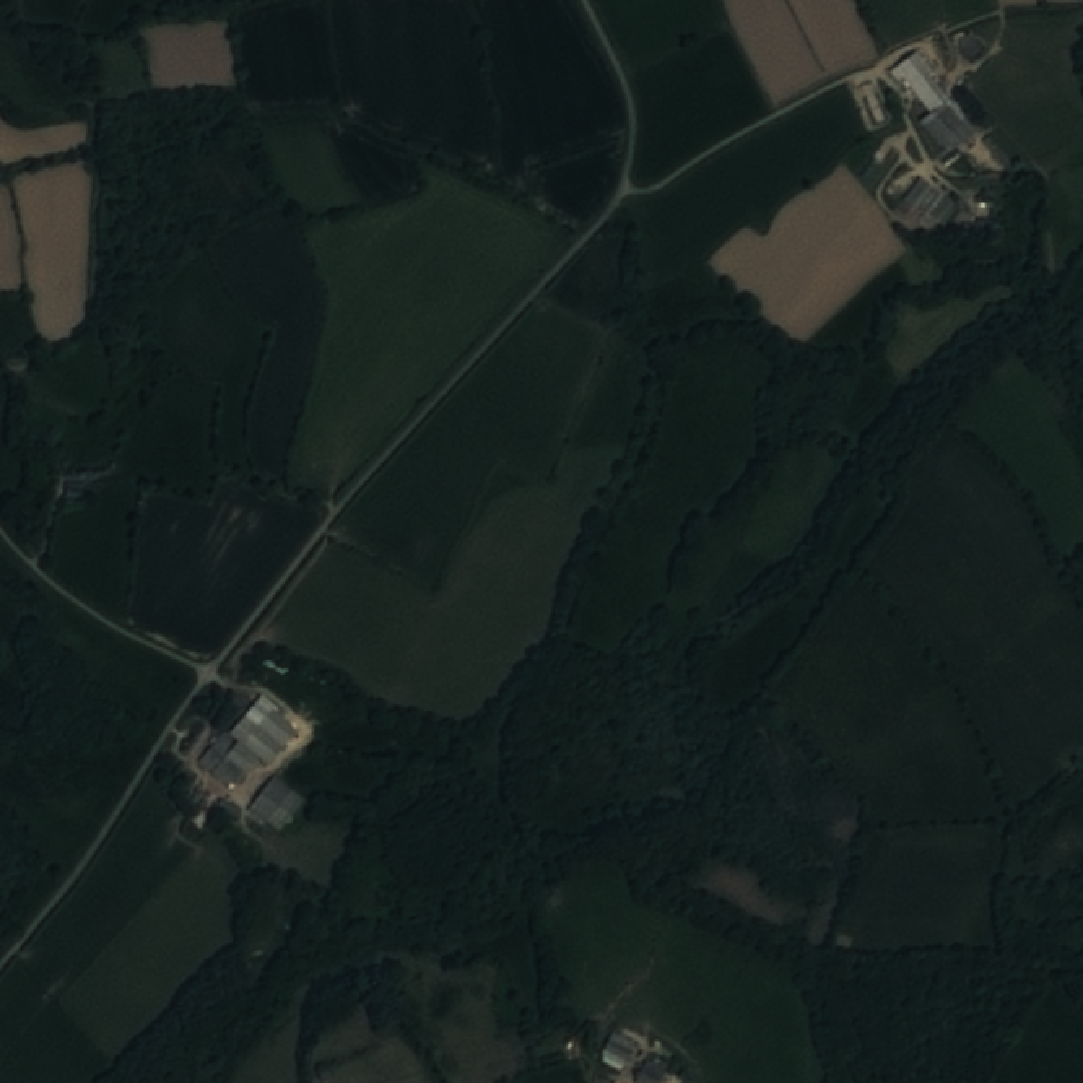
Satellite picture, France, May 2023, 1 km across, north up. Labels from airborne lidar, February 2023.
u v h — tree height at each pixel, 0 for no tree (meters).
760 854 9
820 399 8
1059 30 0
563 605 15
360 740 0
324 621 0
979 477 0
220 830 14
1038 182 18
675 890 17
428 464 0
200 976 9
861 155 0
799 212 0
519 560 0
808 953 11
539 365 0
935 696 0
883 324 21
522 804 26
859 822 6
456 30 0
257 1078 0
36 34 16
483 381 0
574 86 0
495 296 0
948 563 0
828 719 0
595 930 0
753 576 0
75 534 0
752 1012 0
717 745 11
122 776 0
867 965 13
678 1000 0
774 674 11
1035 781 0
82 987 0
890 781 0
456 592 0
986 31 0
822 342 0
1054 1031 0
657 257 0
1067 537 0
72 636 0
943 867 0
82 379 0
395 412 0
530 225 0
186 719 0
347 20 0
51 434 10
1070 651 0
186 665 0
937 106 0
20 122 11
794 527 0
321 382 0
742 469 0
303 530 0
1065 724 0
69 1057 0
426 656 0
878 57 0
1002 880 11
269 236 0
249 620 0
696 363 0
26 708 7
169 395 0
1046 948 15
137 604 0
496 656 0
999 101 0
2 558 9
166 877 0
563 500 0
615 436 0
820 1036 11
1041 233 8
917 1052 10
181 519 0
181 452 0
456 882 10
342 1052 0
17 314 0
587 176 0
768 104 0
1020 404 0
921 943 0
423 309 0
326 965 0
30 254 0
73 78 15
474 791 7
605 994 0
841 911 10
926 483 0
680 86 0
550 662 19
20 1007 0
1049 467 0
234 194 0
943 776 0
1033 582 0
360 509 0
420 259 0
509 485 0
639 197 0
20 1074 0
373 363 0
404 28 0
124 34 16
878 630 0
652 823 28
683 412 0
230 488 0
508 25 0
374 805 16
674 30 0
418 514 0
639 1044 0
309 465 0
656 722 10
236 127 19
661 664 14
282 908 0
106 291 20
